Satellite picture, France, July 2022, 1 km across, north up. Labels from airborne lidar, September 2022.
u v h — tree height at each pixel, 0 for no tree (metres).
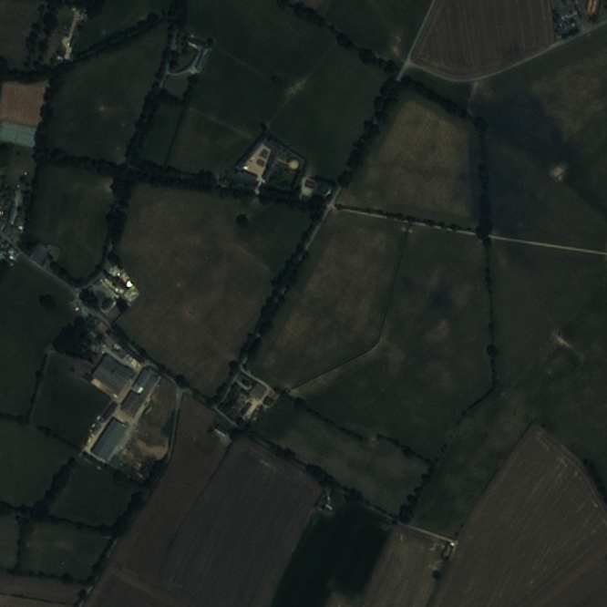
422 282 0
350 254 0
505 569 0
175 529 0
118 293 0
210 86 0
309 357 0
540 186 0
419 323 0
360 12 0
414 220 9
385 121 15
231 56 0
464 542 0
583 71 0
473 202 0
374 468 0
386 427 0
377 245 0
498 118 0
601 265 0
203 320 0
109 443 0
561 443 0
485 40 0
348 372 0
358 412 0
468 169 0
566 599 0
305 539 0
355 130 0
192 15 0
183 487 0
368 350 0
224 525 0
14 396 0
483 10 0
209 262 0
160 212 0
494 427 0
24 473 0
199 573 0
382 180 0
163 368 9
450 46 0
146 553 0
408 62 0
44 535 0
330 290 0
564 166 0
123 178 16
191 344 0
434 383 0
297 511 0
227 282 0
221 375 0
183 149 0
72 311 0
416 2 0
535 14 0
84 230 0
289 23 0
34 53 16
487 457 0
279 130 0
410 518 16
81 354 6
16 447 0
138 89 0
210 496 0
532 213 0
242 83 0
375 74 0
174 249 0
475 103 0
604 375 0
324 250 0
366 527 0
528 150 0
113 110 0
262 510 0
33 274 0
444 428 0
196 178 9
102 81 0
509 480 0
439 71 0
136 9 0
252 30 0
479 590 0
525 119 0
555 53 0
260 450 0
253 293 0
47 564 0
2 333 0
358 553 0
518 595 0
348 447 0
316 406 0
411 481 0
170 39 12
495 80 0
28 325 0
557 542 0
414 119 0
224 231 0
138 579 0
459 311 0
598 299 0
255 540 0
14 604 0
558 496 0
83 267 0
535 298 0
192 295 0
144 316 0
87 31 0
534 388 0
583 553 0
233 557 0
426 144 0
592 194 0
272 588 0
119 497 0
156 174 15
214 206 0
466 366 0
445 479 0
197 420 0
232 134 0
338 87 0
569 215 0
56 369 0
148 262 0
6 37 0
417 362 0
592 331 0
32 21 0
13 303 0
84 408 0
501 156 0
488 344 0
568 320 0
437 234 0
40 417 0
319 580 0
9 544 0
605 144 0
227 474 0
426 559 0
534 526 0
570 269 0
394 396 0
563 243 0
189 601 0
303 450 0
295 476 0
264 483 0
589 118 0
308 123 0
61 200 0
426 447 0
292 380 0
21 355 0
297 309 0
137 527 0
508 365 0
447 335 0
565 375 0
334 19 0
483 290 0
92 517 0
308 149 0
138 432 0
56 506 0
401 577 0
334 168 0
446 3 0
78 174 0
